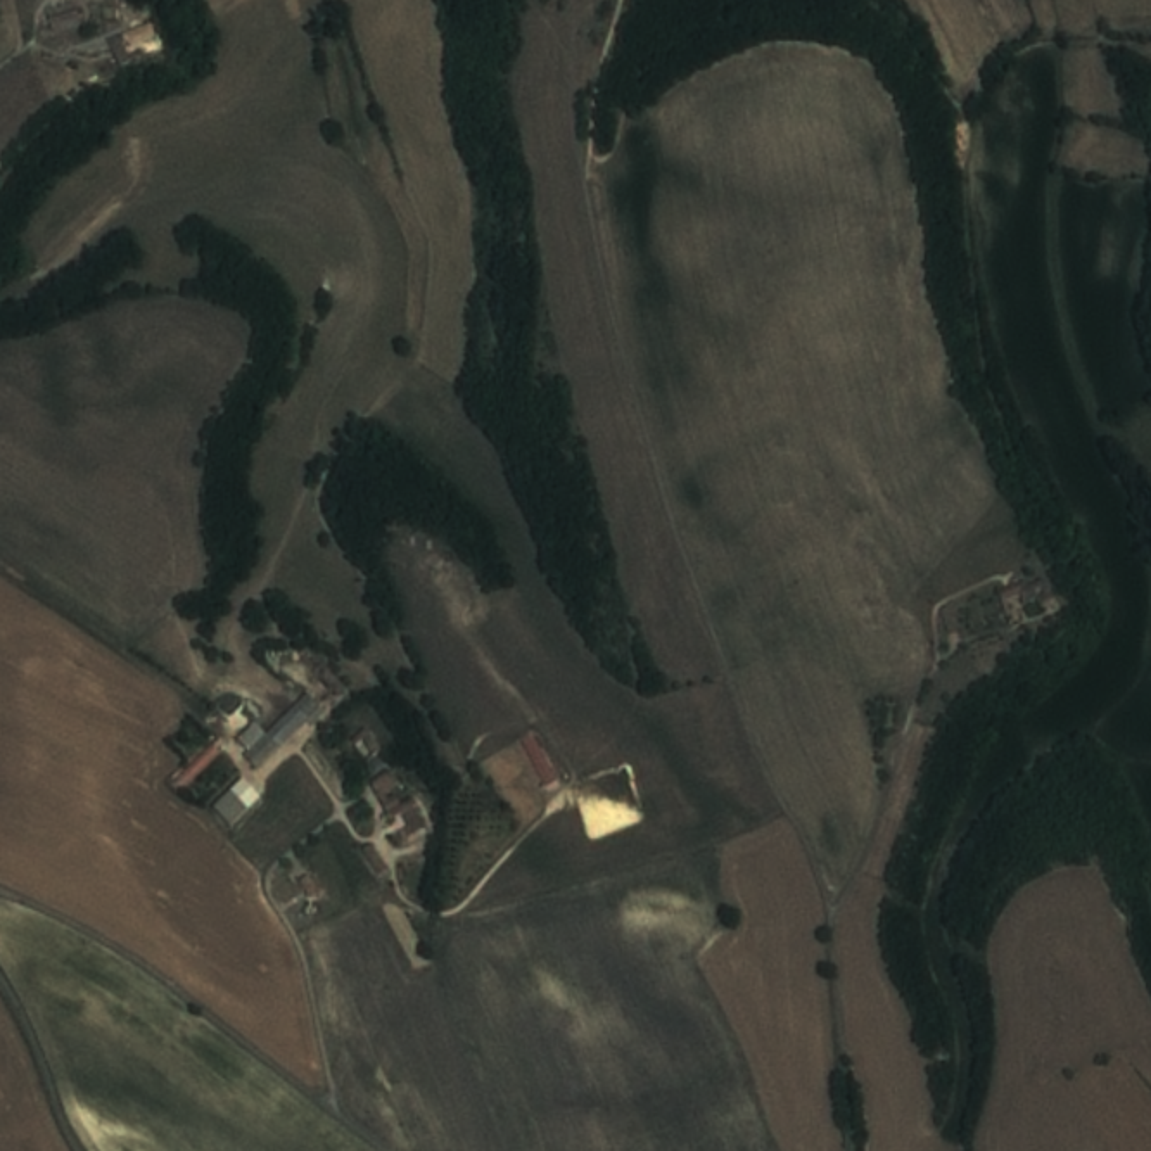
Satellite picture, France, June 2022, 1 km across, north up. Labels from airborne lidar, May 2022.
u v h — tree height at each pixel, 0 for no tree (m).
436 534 8
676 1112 0
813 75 0
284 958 0
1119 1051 0
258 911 0
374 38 0
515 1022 0
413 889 0
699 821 0
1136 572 0
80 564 0
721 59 12
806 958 0
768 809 0
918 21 15
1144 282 10
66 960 0
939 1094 12
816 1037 0
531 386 10
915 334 0
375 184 0
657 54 17
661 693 8
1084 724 0
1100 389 0
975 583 0
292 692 0
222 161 0
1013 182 0
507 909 0
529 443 15
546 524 18
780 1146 0
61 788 0
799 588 0
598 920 0
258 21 0
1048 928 0
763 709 0
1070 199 0
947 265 18
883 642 0
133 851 0
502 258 11
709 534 0
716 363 0
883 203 0
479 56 7
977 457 0
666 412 0
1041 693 7
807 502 0
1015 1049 0
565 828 0
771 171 0
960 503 0
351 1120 0
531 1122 0
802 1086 0
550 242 0
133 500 0
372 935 0
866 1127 8
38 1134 0
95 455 0
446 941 0
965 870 20
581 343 0
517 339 8
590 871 0
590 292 0
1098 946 0
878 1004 0
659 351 0
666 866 0
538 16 0
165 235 0
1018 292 0
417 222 0
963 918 13
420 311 0
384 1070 0
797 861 0
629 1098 0
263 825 0
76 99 9
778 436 0
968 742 17
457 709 0
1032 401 0
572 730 0
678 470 0
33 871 0
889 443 0
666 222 0
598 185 0
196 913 0
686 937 0
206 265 13
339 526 9
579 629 13
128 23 0
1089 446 0
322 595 0
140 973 0
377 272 0
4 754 0
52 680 0
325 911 0
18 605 0
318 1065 0
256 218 0
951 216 18
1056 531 19
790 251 0
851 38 14
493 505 0
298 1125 0
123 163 0
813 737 0
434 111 0
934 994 9
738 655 0
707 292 0
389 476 16
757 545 0
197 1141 0
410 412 0
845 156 0
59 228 0
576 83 0
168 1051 0
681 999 0
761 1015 0
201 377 0
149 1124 0
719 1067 0
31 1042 0
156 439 0
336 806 0
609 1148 0
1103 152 0
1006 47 14
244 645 0
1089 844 6
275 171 0
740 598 0
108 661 0
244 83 0
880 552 0
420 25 0
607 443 0
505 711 0
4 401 0
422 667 11
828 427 0
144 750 0
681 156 0
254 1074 0
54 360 0
